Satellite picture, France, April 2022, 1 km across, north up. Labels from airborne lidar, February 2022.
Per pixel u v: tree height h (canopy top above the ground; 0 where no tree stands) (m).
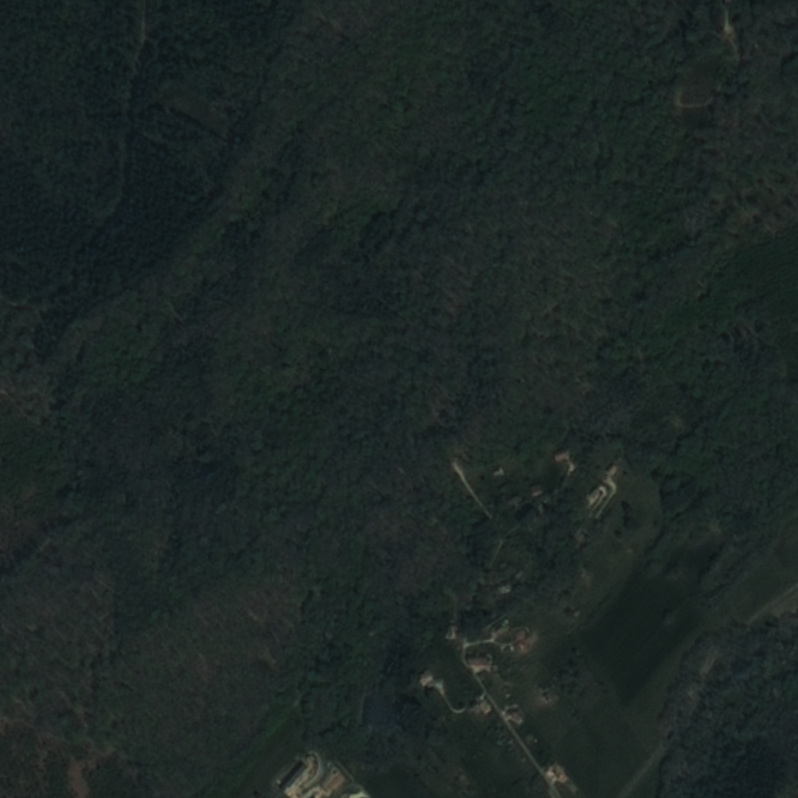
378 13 26
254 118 22
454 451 21
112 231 23
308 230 33
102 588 27
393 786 0
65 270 27
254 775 0
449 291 27
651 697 0
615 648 0
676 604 0
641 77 24
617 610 0
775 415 20
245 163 25
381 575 28
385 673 9
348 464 27
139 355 24
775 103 32
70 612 26
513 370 27
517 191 24
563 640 0
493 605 0
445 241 23
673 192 29
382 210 21
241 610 28
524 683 0
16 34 19
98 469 23
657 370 23
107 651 26
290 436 14
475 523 23
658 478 19
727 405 24
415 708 27
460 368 23
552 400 28
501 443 29
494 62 24
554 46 23
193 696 28
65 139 16
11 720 25
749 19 22
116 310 26
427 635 13
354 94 26
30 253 28
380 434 16
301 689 13
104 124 21
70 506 27
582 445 21
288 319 25
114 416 24
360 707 24
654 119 25
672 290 27
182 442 25
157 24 23
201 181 23
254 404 22
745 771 26
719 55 24
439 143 28
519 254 22
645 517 0
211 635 26
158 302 26
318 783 0
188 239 30
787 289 6
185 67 24
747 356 32
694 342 28
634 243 26
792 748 13
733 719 6
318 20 28
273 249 28
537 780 11
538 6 23
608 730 0
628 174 16
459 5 26
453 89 25
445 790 0
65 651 27
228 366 19
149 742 28
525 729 0
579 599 0
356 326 28
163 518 24
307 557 23
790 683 21
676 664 0
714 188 30
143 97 24
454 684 0
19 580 27
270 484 27
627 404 22
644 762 0
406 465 21
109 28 20
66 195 22
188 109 0
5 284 21
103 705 27
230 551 23
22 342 23
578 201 27
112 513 23
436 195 28
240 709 30
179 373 21
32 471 9
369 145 25
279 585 32
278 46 17
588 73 18
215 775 27
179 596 26
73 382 29
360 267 30
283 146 26
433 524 25
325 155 29
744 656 17
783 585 0
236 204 30
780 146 35
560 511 11
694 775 20
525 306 24
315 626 23
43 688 29
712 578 13
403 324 29
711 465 18
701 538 20
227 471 25
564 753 0
